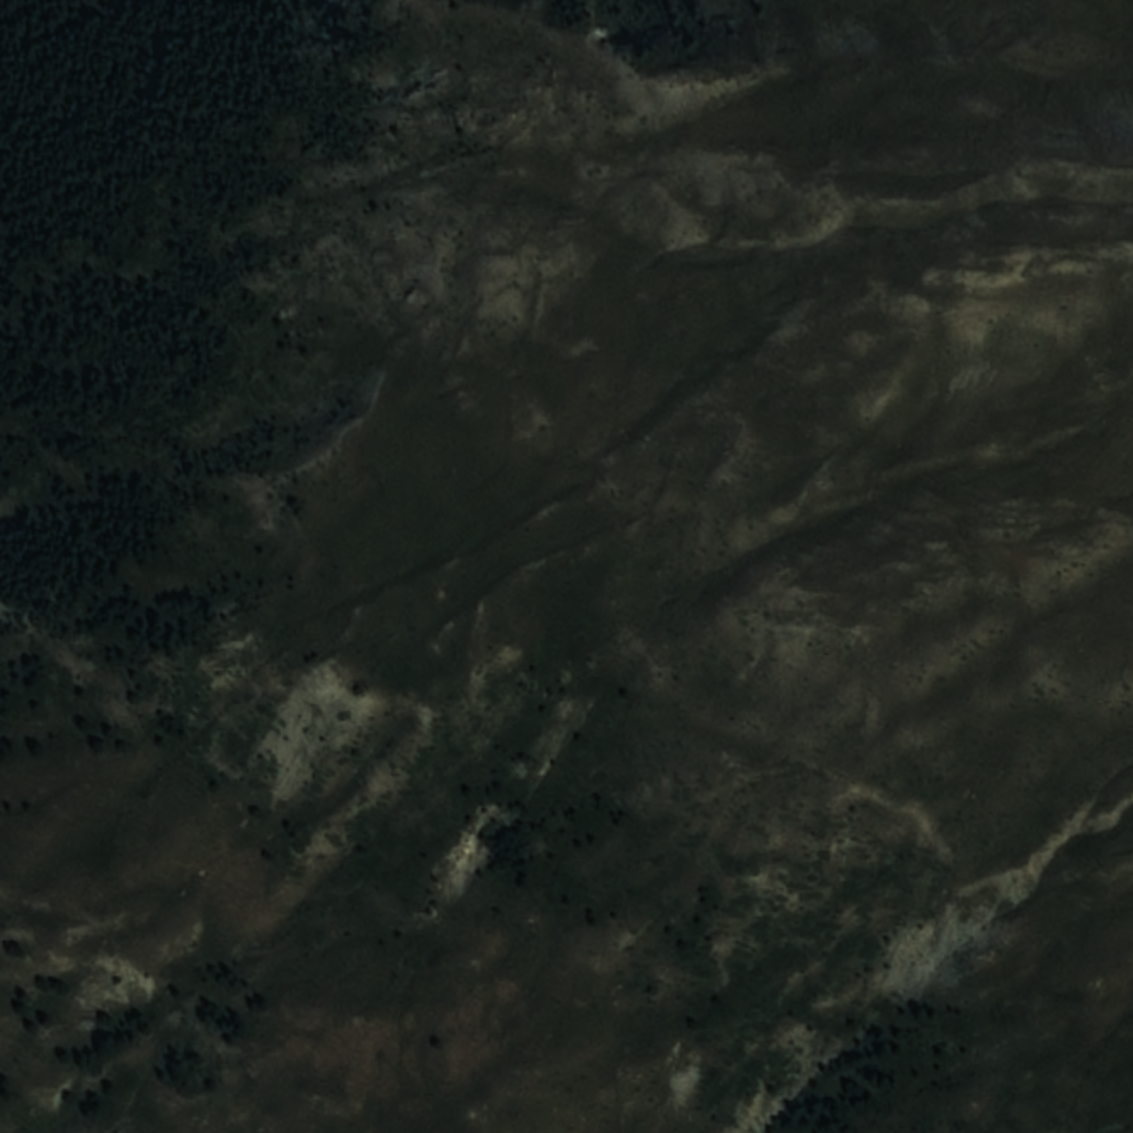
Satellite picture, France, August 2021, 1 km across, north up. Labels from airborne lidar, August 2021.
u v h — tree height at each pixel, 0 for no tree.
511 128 0
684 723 0
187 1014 0
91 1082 0
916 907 0
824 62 0
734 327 0
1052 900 0
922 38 0
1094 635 0
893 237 0
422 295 0
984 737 0
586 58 0
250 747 0
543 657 0
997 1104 0
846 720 0
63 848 0
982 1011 0
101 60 17
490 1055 0
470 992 0
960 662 0
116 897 0
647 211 0
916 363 0
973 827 0
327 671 0
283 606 0
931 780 0
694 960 0
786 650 0
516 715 0
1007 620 0
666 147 0
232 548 0
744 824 0
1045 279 0
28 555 8
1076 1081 0
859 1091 16
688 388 0
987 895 0
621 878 0
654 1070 0
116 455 0
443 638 0
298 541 0
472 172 0
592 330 0
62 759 0
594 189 0
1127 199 0
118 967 0
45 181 16
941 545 0
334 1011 0
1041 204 0
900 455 0
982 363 0
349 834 0
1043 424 0
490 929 0
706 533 0
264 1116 0
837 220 0
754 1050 0
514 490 0
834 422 0
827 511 0
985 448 0
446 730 0
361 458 0
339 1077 0
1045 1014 0
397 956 0
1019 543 0
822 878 0
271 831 0
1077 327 0
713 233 0
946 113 0
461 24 0
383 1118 0
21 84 12
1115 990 0
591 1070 0
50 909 0
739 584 0
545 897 0
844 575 0
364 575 0
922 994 0
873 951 0
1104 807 0
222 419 0
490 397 0
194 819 0
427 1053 0
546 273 0
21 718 0
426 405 0
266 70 11
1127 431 0
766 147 0
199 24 16
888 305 0
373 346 0
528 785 0
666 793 0
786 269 0
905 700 0
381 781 0
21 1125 0
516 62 0
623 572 0
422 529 0
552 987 0
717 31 0
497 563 0
